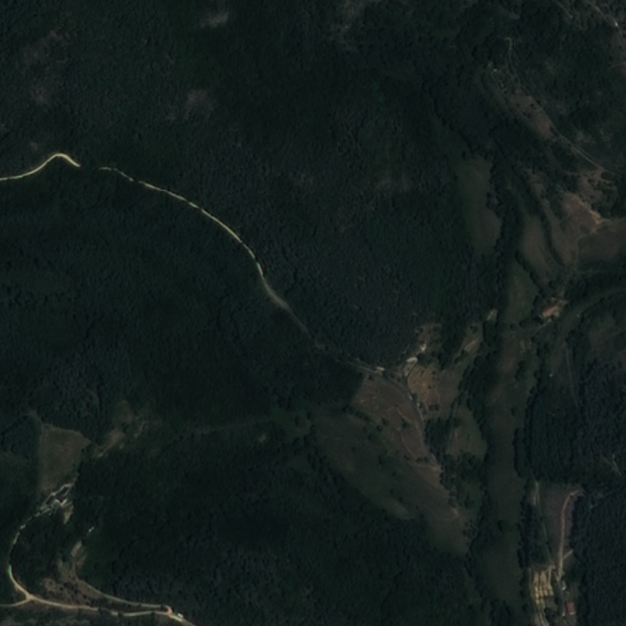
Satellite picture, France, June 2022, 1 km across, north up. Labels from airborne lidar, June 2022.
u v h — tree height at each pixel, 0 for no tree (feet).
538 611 0
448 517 0
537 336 35
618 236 0
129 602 34
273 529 46
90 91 50
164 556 52
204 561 62
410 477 0
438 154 72
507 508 0
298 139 61
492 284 56
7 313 91
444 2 41
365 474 0
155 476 40
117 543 31
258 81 51
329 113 53
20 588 0
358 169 35
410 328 44
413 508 0
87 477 62
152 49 64
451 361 59
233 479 101
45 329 42
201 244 91
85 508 46
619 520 67
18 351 86
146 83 50
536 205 23
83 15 43
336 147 57
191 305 57
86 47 49
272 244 59
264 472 53
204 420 44
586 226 0
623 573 69
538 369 23
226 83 45
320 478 31
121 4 90
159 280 58
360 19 42
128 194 53
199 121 62
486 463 76
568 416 30
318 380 45
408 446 0
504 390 0
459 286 58
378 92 65
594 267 0
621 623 58
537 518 118
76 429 46
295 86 67
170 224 59
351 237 54
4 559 22
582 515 67
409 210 67
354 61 81
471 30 72
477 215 0
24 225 115
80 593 54
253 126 55
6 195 50
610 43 21
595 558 77
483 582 73
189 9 56
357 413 43
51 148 23
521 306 0
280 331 34
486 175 0
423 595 67
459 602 55
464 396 51
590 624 61
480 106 24
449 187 70
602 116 21
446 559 68
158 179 47
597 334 0
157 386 39
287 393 97
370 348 61
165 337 63
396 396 0
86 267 62
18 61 45
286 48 41
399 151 29
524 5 42
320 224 47
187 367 64
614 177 24
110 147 49
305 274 43
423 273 73
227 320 86
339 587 58
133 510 29
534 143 45
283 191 30
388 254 74
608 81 20
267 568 33
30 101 30
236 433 26
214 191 67
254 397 67
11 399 22
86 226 95
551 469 51
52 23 48
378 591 56
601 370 49
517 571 0
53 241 78
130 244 53
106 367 108
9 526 37
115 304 51
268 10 73
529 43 34
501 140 26
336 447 0
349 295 52
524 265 39
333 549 29
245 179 62
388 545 56
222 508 55
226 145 52
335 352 35
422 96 74
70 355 48
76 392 61
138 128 50
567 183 25
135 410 25
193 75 33
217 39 72
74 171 40
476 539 57
